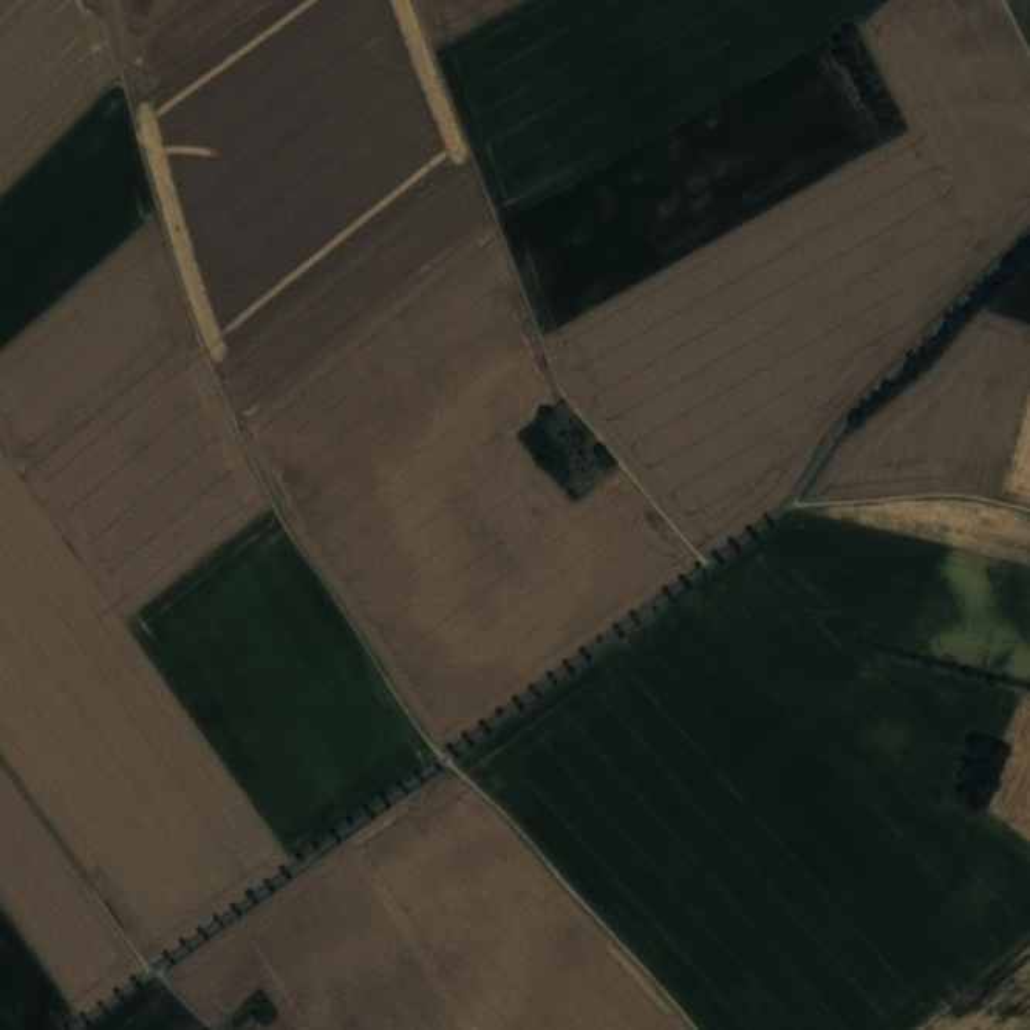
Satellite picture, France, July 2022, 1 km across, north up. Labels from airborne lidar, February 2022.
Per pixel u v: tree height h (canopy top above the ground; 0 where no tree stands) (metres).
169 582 0
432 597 0
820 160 0
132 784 0
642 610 0
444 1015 0
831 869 0
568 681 0
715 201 0
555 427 0
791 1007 0
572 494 8
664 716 0
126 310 0
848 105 0
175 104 0
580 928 0
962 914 0
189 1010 0
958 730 0
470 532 0
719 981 0
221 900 0
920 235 0
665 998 0
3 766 0
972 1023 0
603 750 0
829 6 0
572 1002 0
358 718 0
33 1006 0
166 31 0
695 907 0
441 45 0
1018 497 0
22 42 0
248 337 0
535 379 0
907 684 0
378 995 0
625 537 0
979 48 0
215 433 0
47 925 0
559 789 0
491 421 0
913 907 0
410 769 0
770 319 0
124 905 0
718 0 0
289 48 0
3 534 0
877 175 0
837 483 0
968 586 0
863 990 0
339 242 0
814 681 0
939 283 0
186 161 0
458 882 0
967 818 0
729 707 0
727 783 0
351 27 0
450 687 0
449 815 0
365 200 0
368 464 0
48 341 0
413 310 0
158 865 0
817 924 0
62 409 0
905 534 0
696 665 0
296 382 0
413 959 0
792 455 0
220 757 0
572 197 0
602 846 0
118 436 0
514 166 0
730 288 0
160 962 0
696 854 0
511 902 0
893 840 0
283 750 0
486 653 0
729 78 0
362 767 0
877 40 0
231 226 0
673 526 0
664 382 0
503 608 0
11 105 0
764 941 0
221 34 0
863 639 0
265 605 0
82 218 0
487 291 0
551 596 0
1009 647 0
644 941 0
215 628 0
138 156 0
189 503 0
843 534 0
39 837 0
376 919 0
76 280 0
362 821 0
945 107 0
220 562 0
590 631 0
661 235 0
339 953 0
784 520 0
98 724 0
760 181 0
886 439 0
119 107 0
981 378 0
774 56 0
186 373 0
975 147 0
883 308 0
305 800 0
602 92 0
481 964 0
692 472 0
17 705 0
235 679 0
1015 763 0
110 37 0
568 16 0
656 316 0
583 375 0
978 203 0
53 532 0
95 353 0
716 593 0
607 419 0
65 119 0
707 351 0
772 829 0
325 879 0
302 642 0
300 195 0
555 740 0
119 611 0
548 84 0
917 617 0
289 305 0
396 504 0
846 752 0
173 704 0
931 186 0
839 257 0
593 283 0
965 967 0
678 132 0
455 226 0
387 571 0
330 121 0
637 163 0
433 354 0
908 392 0
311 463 0
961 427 0
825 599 0
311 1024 0
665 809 0
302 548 0
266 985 0
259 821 0
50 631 0
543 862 0
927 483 0
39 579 0
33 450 0
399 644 0
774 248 0
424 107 0
